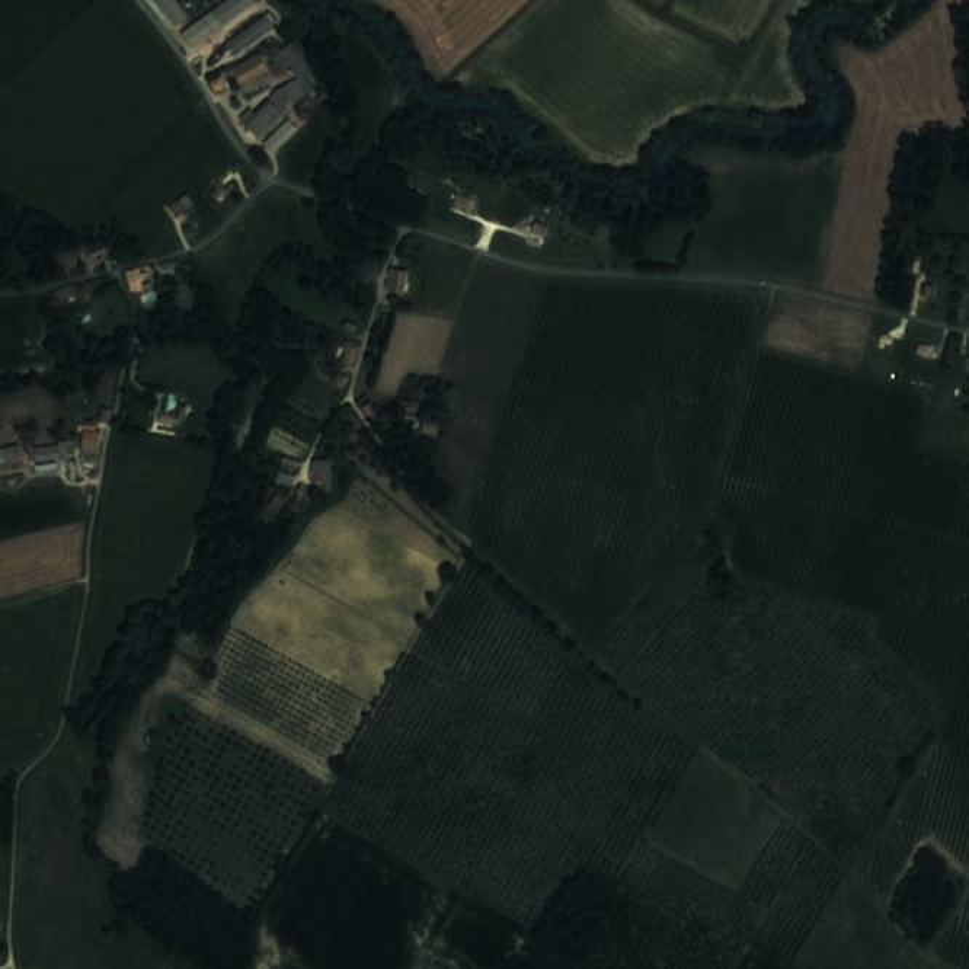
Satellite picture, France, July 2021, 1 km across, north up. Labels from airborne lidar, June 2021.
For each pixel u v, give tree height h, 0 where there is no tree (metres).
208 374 0
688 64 0
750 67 0
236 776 9
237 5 0
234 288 0
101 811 33
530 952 0
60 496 0
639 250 11
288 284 0
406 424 12
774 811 0
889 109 0
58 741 0
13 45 0
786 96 0
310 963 0
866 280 0
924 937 14
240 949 30
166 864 21
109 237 12
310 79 0
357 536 0
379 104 0
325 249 0
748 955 0
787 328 0
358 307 15
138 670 26
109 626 0
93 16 0
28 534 0
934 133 26
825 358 0
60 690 0
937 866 16
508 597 17
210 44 0
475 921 0
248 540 13
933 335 0
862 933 0
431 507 8
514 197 0
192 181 0
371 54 0
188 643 0
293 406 11
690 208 16
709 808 0
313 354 7
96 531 0
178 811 7
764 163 0
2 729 0
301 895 0
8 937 0
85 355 14
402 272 0
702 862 0
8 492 0
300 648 0
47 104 0
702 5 0
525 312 0
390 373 0
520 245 0
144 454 0
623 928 6
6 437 0
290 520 11
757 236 0
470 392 0
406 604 0
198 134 0
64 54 0
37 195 0
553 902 14
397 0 0
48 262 10
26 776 0
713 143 7
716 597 9
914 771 15
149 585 0
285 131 0
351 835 0
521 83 0
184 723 10
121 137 0
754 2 0
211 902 31
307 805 10
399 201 14
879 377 0
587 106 0
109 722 23
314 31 10
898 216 11
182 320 14
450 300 0
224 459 14
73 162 0
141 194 0
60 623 0
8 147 0
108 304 0
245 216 0
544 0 0
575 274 0
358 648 0
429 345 0
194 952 29
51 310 13
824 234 0
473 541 0
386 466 15
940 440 0
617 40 0
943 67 0
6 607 0
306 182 0
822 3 9
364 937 0
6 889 0
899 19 11
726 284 0
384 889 0
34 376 13
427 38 0
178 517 0
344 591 0
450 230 0
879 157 0
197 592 22
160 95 0
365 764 5
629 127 0
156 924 19
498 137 19
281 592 0
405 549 0
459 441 0
